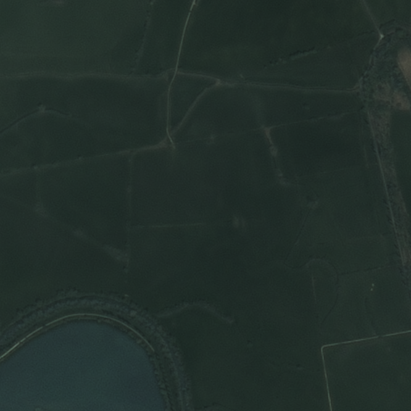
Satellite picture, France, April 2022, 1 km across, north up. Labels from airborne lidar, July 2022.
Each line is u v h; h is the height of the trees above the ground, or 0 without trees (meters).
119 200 0
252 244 0
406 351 0
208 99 0
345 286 0
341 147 0
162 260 0
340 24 0
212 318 0
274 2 0
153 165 0
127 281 0
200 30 0
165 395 9
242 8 0
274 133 0
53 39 0
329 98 0
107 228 0
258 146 0
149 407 0
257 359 0
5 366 0
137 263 0
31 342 0
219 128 0
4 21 0
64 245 0
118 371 0
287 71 0
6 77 0
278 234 0
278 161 0
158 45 0
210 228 0
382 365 0
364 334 0
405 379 0
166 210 0
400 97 0
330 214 0
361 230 0
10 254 0
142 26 0
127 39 0
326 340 0
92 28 0
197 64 0
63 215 0
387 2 0
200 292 0
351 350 0
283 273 0
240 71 0
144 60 0
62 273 0
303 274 0
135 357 0
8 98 0
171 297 0
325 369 0
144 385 0
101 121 0
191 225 0
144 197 0
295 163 0
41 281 0
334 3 0
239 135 0
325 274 0
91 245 0
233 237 0
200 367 0
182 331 0
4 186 0
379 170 0
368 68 0
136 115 0
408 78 0
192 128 0
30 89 0
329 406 0
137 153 0
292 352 0
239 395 0
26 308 8
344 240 0
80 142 0
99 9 0
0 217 0
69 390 0
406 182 0
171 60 0
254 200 0
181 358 15
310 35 0
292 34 0
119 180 0
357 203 0
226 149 0
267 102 0
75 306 14
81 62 0
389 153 22
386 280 0
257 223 0
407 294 0
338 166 0
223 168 0
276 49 0
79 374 0
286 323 0
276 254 0
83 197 0
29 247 0
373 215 0
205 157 0
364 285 0
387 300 0
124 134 0
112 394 0
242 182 0
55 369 0
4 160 0
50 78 0
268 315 0
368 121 0
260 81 0
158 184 0
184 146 0
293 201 0
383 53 26
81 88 0
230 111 0
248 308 0
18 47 0
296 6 0
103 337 0
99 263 0
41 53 0
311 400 0
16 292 0
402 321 0
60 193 0
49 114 0
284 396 0
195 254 0
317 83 0
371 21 0
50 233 0
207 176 0
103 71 0
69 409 0
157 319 12
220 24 0
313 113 0
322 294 0
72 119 0
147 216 0
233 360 0
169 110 0
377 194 0
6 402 0
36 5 0
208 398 0
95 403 0
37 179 0
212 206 0
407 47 0
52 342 0
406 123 0
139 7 0
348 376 0
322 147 0
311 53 11
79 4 0
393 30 0
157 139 0
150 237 0
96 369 0
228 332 0
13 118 0
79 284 0
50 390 0
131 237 0
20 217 0
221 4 0
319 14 0
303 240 0
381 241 0
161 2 0
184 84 0
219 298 0
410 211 0
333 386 0
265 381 0
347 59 0
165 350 18
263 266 0
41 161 0
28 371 0
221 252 0
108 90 0
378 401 0
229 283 0
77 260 0
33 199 0
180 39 0
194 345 0
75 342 0
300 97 0
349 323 0
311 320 0
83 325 0
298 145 0
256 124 0
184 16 0
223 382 0
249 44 0
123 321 25
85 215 0
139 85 0
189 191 0
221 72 0
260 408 0
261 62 0
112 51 0
